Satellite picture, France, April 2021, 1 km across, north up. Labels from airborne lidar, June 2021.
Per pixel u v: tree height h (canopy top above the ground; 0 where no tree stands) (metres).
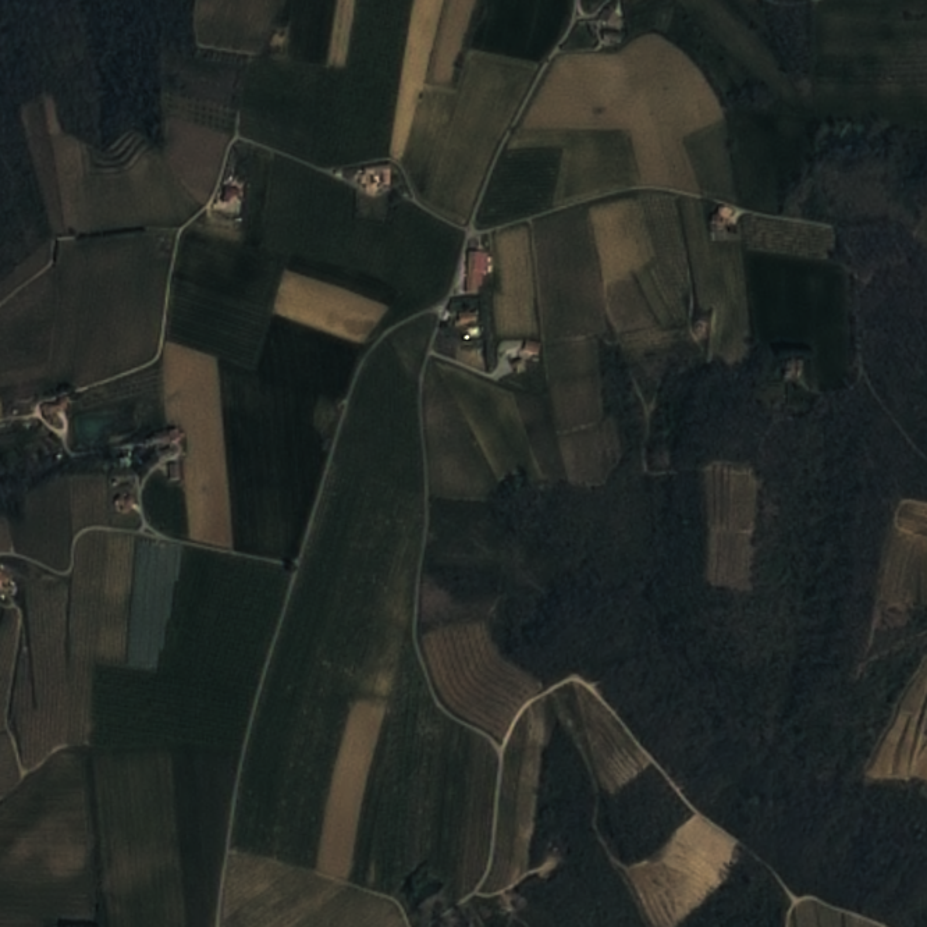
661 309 0
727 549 0
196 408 0
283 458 0
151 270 0
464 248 0
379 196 0
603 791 0
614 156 0
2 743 0
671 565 9
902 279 12
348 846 0
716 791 12
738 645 12
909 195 9
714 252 0
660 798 7
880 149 18
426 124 0
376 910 0
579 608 11
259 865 0
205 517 0
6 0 11
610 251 0
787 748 23
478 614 0
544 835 9
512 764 0
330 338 0
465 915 12
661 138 0
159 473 0
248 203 0
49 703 0
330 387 0
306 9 0
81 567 0
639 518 12
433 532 0
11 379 0
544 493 20
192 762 0
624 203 0
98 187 0
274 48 0
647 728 6
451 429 0
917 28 0
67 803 0
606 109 0
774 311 0
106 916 0
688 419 14
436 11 0
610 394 11
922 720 0
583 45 0
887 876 10
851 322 7
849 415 19
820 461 16
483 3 0
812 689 16
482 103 0
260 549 0
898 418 16
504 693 0
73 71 8
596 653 14
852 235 16
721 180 0
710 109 0
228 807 0
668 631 21
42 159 0
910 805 11
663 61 0
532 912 0
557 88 0
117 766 0
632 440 14
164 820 0
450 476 0
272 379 0
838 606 13
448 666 0
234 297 0
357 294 0
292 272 0
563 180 0
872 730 13
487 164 0
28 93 10
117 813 0
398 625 0
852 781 16
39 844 0
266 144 0
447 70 0
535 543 20
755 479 11
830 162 7
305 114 0
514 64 0
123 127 12
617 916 11
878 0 0
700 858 0
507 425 0
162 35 19
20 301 0
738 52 0
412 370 0
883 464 14
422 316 0
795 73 10
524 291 0
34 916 0
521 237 0
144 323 0
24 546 0
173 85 9
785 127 0
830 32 0
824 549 18
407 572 0
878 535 8
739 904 12
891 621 0
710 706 35
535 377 0
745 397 13
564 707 0
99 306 0
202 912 0
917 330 20
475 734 0
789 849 16
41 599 0
